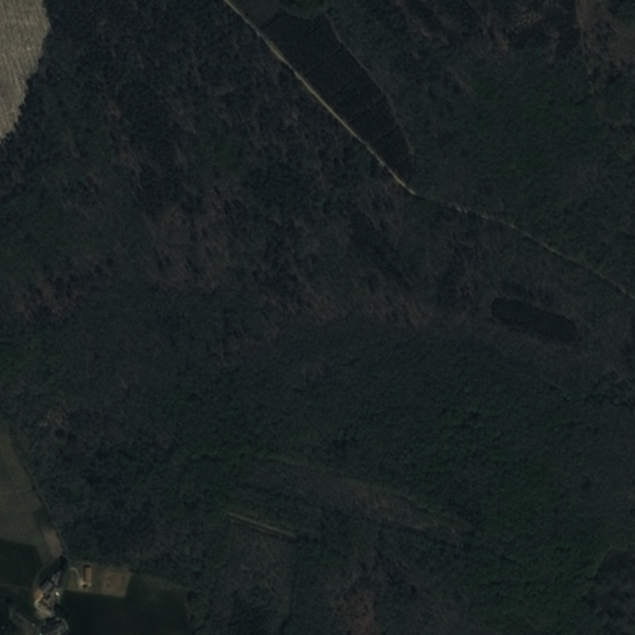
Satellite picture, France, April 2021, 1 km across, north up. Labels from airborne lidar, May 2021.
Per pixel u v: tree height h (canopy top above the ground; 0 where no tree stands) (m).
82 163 13
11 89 0
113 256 16
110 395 16
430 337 22
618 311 17
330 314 14
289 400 21
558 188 18
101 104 21
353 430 25
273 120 23
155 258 11
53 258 20
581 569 17
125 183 17
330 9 7
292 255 17
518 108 18
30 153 10
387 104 10
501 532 21
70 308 11
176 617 0
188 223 11
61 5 19
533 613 22
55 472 12
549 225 13
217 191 10
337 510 13
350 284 18
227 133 17
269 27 8
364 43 20
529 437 21
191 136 17
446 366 23
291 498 16
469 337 20
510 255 19
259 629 9
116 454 20
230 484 21
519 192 20
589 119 20
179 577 20
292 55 9
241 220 7
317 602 18
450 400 21
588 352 22
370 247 18
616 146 18
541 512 15
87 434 13
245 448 24
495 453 22
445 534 10
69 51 16
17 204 18
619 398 23
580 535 20
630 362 18
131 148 7
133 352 18
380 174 27
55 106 16
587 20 0
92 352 17
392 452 19
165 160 18
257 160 15
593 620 22
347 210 17
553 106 17
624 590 18
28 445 12
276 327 17
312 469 11
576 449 18
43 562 0
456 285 26
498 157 20
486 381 23
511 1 16
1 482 0
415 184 17
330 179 8
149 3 21
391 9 23
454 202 11
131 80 18
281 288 18
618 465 17
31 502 0
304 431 25
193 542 18
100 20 19
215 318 22
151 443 9
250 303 20
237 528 10
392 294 14
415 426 21
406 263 12
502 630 17
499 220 16
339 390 22
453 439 22
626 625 25
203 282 9
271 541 13
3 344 23
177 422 21
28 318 12
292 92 24
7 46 0
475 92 15
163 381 22
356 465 23
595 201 18
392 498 14
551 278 12
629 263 21
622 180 24
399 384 23
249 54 17
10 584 0
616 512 20
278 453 26
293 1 8
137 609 0
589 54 15
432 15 7
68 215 14
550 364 19
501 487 22
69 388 22
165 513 18
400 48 23
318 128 18
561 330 8
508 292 22
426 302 14
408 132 12
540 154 20
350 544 17
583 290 15
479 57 13
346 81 13
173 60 21
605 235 18
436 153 20
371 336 19
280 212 25
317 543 18
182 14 17
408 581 9
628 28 21
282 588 12
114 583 0
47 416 10
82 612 0
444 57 15
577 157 21
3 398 10
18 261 18
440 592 18
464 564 21
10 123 0
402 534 23
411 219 21
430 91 13
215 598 11
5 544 0
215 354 19
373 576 10
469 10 19
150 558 9
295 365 19
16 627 0
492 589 19
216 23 26
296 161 19
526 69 19
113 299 20
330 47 13
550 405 21
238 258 17
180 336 16
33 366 13
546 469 16
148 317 20
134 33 20
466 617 18
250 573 10
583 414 20
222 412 20
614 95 18
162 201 18
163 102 17
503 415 21
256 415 24
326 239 18
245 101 23
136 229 21
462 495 22
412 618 14
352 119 9
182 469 19
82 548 18
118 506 24
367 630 5
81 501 10
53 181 17
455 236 7
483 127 21
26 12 0
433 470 19
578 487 16
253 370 25
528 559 23
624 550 19
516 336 13
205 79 21
